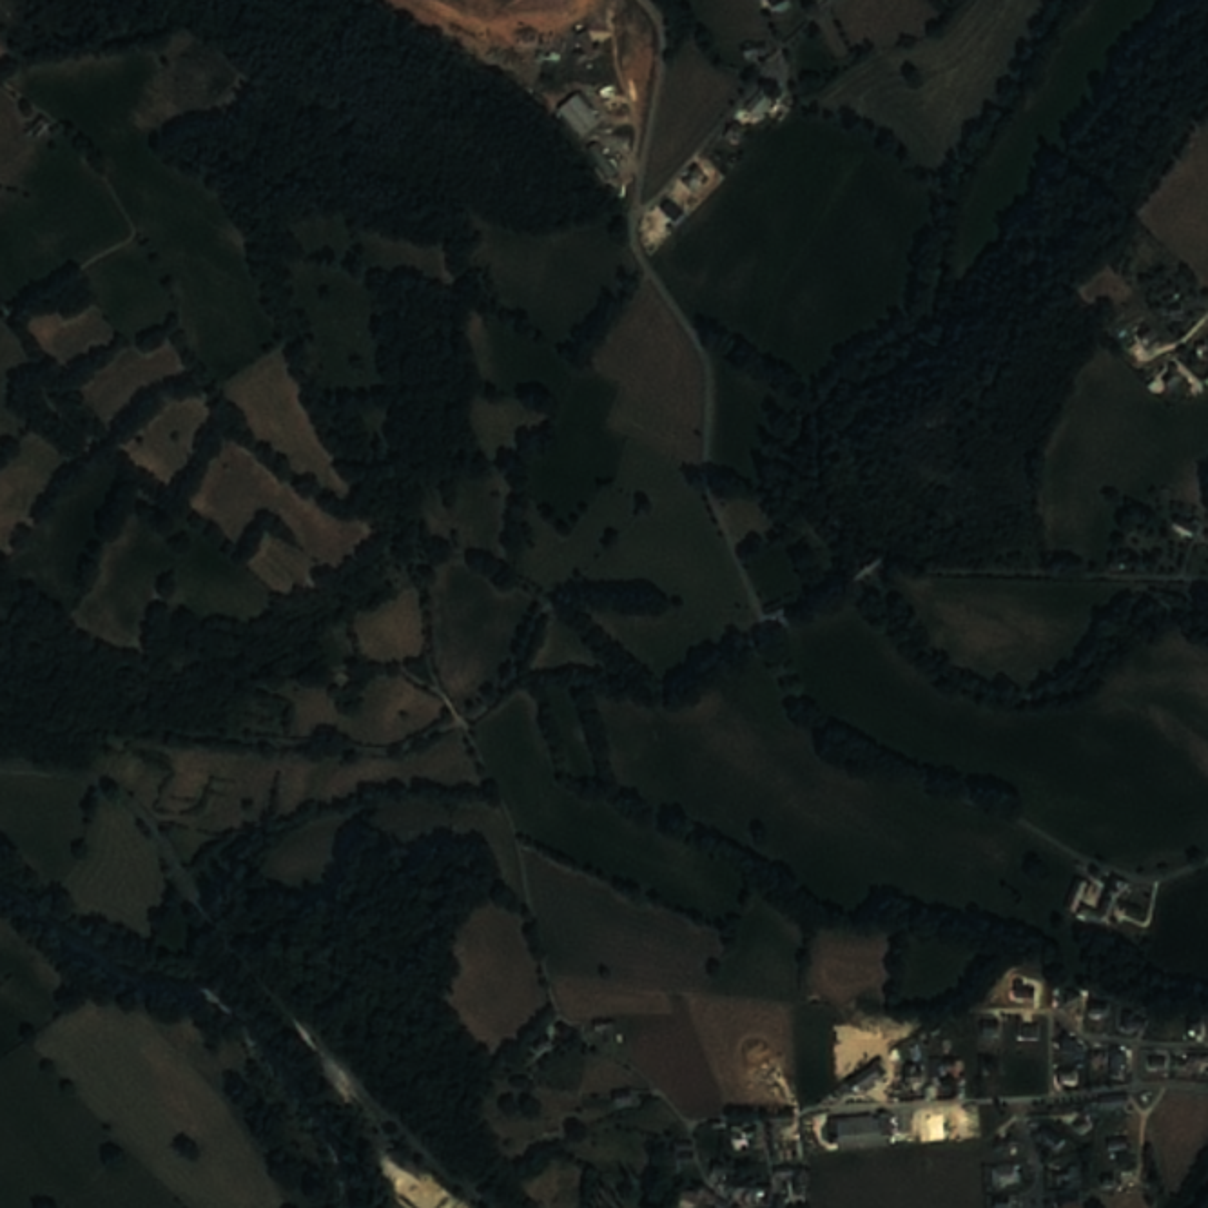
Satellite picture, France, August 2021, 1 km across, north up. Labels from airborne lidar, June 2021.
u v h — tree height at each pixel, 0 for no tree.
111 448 16
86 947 0
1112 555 8
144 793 0
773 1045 0
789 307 0
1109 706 0
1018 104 21
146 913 0
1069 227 13
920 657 19
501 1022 0
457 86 13
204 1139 0
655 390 0
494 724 0
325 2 22
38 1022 0
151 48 18
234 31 19
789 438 25
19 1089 0
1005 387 16
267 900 26
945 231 21
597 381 0
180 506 18
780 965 0
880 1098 0
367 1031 7
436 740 9
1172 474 0
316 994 10
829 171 0
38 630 19
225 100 0
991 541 7
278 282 11
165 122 0
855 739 23
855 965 0
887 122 0
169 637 7
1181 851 0
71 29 9
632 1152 0
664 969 0
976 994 17
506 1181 16
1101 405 0
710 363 0
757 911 0
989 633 0
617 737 0
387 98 13
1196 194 0
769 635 17
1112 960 21
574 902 0
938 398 9
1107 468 0
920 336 23
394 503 16
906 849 0
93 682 14
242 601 0
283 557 0
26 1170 0
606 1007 0
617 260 0
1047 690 16
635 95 0
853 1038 0
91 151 15
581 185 15
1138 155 20
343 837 0
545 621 8
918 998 0
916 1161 0
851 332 0
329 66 20
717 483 24
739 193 0
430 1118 9
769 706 0
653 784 0
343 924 21
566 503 0
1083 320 15
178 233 0
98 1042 0
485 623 0
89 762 16
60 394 11
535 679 11
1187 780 0
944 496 10
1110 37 0
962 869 0
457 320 19
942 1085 9
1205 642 14
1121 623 21
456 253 18
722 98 0
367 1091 11
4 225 0
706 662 21
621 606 22
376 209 19
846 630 0
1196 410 0
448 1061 11
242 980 18
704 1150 0
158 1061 0
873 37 0
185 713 11
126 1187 0
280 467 15
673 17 18
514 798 0
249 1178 0
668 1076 0
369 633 0
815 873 0
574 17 0
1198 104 16
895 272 0
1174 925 0
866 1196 0
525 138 14
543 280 0
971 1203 0
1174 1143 0
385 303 18
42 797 0
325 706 0
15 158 0
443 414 23
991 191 0
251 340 0
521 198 16
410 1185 0
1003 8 0
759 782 0
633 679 22
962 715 0
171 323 10
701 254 0
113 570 0
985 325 8
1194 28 26
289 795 0
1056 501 0
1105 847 0
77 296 15
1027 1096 0
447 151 13
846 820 0
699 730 0
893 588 13
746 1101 0
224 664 15
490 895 12
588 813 0
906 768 21
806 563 25
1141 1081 0
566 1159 9
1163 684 0
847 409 27
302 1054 23
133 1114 0
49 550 0
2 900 19
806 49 0
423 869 25
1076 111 0
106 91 0
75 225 0
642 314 0
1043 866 16
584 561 0
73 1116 0
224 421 16
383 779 0
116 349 10
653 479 0
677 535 0
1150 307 10
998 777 0
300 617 7
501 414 0
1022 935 14
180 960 11
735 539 0
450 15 0
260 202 21
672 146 0
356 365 16
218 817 0
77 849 11
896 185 0
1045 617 0
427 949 15
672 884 0
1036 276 8
